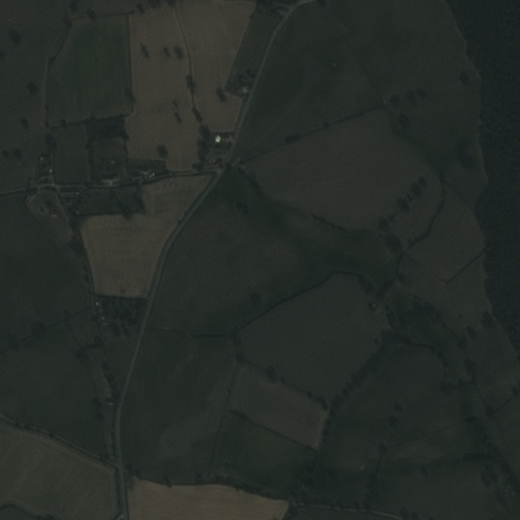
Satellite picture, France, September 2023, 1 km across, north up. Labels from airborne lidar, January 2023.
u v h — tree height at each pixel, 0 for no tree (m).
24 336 0
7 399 0
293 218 0
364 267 0
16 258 0
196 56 0
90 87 0
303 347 0
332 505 13
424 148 0
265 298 0
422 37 0
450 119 0
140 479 10
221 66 0
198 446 0
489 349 0
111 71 0
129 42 0
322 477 0
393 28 0
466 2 22
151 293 0
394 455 0
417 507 0
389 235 0
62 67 0
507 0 24
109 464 0
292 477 0
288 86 0
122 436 0
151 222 0
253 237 0
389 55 0
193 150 0
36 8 0
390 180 0
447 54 0
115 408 9
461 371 0
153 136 0
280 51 0
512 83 28
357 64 0
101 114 0
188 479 0
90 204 0
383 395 0
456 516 0
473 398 0
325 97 0
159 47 0
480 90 0
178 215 0
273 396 0
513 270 30
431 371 0
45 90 0
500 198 29
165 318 0
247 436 0
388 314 10
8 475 0
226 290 0
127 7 0
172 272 0
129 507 0
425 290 0
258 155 0
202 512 0
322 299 0
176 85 0
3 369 0
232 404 0
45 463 0
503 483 0
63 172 0
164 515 0
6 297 0
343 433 0
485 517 0
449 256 0
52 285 0
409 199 11
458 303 0
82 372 0
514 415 0
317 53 0
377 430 0
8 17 0
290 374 0
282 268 0
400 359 0
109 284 0
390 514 0
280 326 0
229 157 0
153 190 0
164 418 0
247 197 0
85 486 0
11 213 0
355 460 0
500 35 28
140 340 0
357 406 0
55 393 0
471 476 0
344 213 0
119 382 0
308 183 0
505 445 0
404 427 0
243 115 0
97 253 0
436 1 0
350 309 0
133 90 0
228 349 0
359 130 0
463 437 0
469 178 0
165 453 0
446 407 0
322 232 0
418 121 0
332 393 0
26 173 0
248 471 0
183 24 0
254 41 0
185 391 0
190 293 0
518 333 22
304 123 0
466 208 0
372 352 0
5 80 0
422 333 0
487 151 26
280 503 0
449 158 0
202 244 0
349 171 0
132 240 0
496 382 0
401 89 0
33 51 0
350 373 0
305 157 0
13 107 0
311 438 0
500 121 16
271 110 0
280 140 0
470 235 0
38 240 0
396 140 0
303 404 0
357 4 0
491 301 18
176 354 0
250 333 0
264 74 0
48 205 11
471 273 0
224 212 0
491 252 22
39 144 0
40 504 0
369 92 0
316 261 0
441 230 0
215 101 0
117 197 11
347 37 0
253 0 0
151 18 0
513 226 30
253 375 0
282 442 0
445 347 0
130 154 0
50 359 0
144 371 0
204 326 0
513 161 27
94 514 0
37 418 0
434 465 0
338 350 0
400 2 0
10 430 0
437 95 0
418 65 0
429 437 0
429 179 0
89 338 0
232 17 0
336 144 0
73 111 0
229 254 0
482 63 20
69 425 0
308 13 0
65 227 0
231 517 0
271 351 0
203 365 0
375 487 14
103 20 0
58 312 0
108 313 6
